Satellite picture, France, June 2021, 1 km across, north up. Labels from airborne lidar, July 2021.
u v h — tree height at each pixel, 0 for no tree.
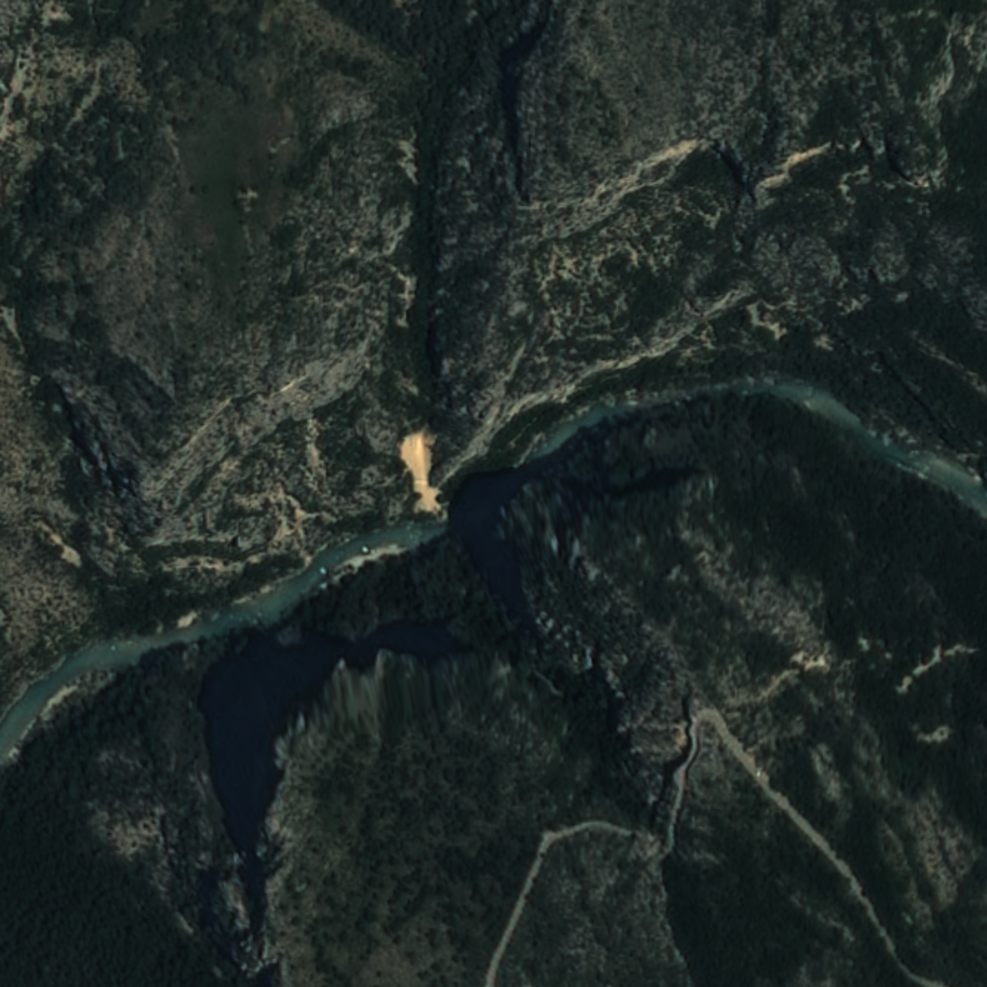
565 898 0
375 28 16
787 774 7
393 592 20
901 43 12
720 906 6
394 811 8
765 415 15
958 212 6
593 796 24
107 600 6
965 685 14
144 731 11
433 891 8
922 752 16
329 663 10
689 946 11
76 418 6
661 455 7
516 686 23
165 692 7
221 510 7
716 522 56
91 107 6
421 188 16
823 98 7
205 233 0
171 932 18
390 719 6
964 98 9
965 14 10
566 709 15
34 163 7
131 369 7
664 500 44
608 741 16
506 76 9
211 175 0
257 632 19
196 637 0
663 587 11
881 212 8
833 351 11
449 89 11
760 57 6
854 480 16
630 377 10
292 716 8
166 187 0
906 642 12
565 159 9
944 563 17
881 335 7
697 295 9
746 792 6
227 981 10
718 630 7
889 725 11
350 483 7
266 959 15
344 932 8
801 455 14
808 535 13
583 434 21
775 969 10
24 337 8
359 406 8
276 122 0
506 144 7
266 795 7
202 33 11
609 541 7
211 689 13
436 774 7
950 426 13
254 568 10
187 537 6
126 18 15
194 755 6
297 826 0
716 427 24
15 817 8
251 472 8
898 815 6
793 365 8
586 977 0
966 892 9
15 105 9
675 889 15
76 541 6
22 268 9
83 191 9
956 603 16
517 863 7
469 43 8
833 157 8
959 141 12
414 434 0
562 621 6
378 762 8
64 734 14
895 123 6
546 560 9
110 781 7
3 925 7
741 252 9
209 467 11
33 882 11
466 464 11
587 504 17
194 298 0
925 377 8
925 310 9
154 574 9
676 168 11
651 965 0
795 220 8
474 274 7
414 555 7
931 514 13
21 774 13
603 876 0
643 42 0
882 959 11
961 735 10
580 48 0
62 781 6
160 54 12
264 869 8
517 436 7
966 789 16
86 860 11
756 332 6
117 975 7
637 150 0
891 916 10
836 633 15
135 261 0
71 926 12
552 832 7
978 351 11
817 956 6
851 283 5
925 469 0
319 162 7
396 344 8
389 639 8
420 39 14
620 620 8
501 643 21
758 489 9
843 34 8
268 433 8
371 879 7
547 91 7
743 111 7
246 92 9
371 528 22
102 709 15
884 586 11
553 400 9
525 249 7
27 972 7
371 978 0
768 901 6
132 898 7
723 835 5
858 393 16
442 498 11
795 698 11
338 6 8
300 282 9
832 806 10
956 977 12
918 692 10
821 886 9
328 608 20
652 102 0
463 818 8
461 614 8
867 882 11
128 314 0
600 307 7
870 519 18
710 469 7
